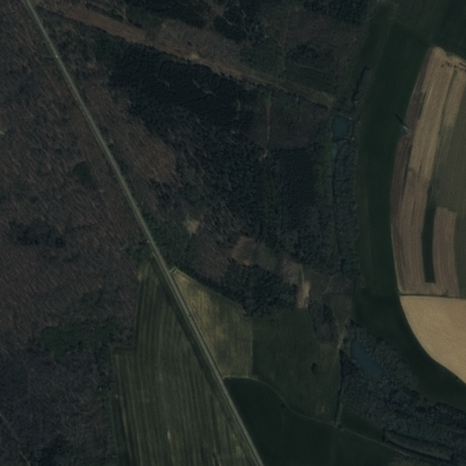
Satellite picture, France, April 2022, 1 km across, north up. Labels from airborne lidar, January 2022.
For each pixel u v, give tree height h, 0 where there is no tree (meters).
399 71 0
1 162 26
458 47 0
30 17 25
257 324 0
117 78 11
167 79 19
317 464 0
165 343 0
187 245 16
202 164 21
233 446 0
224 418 0
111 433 12
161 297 0
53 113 30
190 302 0
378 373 0
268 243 15
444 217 0
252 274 12
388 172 0
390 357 27
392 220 0
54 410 24
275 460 0
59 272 26
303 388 0
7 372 26
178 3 8
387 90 0
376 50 0
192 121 23
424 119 0
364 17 14
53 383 27
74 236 24
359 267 21
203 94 13
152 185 20
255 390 0
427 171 0
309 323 0
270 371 0
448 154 0
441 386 0
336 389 0
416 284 0
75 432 18
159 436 0
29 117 28
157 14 21
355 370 31
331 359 0
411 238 0
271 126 9
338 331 19
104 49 14
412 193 0
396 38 0
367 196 0
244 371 0
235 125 8
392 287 0
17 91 25
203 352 0
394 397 18
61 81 17
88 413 7
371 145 0
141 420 0
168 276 0
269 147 10
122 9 13
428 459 17
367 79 18
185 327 0
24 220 25
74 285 27
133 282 25
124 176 14
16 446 27
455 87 0
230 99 13
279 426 0
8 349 25
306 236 25
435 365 0
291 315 0
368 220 0
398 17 0
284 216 22
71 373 27
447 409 19
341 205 25
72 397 26
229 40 17
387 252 0
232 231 21
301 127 12
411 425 9
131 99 22
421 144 0
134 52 13
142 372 0
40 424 25
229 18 11
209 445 0
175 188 24
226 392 0
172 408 0
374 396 26
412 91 0
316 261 24
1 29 27
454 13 0
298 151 15
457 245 0
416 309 0
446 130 0
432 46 0
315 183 27
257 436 0
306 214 29
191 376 0
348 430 0
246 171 19
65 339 12
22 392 25
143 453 0
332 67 7
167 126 20
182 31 0
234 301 9
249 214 28
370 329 0
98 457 8
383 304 0
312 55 20
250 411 0
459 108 0
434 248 0
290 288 15
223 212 25
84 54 11
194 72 17
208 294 0
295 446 0
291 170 27
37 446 24
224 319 0
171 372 0
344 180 22
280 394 0
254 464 0
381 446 0
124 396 0
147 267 0
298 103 23
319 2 21
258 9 10
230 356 0
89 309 21
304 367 0
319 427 0
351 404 10
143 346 0
